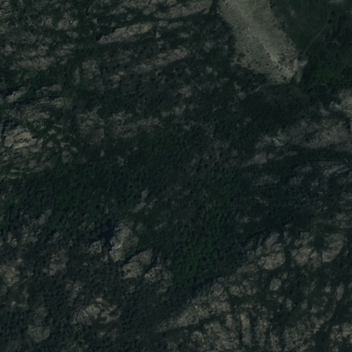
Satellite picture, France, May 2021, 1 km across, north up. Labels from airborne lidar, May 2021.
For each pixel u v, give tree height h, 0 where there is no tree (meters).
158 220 9
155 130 8
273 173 8
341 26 17
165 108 9
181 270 25
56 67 8
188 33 7
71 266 21
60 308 28
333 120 6
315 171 12
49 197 26
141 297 23
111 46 10
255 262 8
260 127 16
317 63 8
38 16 7
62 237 7
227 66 10
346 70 10
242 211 9
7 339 14
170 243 9
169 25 19
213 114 8
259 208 13
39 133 12
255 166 11
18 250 18
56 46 9
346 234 9
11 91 21
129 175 9
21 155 11
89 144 7
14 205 27
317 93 21
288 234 10
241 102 8
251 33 0
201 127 13
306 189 7
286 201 9
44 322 8
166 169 13
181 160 15
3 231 30
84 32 9
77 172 16
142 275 12
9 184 8
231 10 0
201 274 6
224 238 13
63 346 17
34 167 6
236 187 11
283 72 0
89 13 11
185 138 9
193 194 25
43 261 6
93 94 19
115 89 8
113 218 6
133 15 16
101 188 10
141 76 21
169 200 13
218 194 10
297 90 0
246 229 11
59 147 8
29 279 21
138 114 13
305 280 6
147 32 8
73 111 14
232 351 7
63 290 24
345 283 9
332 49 17
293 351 12
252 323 14
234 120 14
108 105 17
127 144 22
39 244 19
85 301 21
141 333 25
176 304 20
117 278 24
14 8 6
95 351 31
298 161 16
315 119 12
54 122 13
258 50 0
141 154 15
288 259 5
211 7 7
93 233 27
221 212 15
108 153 12
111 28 18
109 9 7
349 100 0
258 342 13
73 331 19
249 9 0
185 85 7
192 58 10
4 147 10
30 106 10
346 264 7
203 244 25
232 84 10
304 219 11
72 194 15
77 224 6
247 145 18
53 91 9
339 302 8
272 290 9
